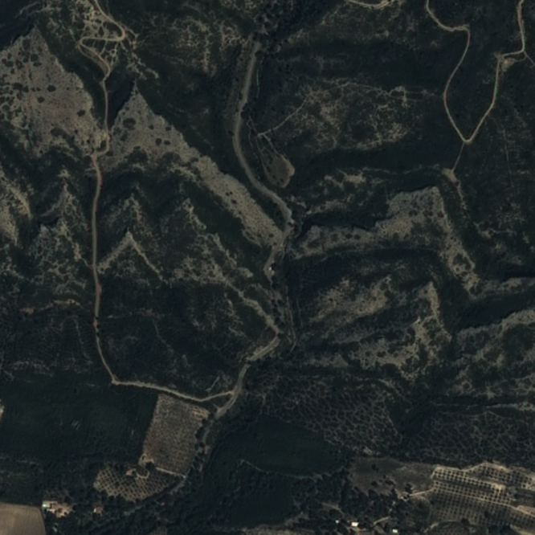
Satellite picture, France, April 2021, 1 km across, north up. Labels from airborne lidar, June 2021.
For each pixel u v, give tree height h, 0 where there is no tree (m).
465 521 10
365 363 0
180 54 0
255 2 0
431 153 0
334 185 0
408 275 0
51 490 6
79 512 15
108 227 0
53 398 6
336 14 0
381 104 0
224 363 6
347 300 0
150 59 0
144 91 0
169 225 0
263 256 0
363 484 0
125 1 0
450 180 0
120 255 0
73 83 0
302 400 7
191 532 9
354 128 0
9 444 6
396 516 10
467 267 0
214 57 0
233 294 0
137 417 6
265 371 13
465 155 0
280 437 6
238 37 0
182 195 0
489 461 9
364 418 6
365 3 0
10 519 0
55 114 0
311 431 6
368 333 0
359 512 12
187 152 0
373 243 0
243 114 7
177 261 0
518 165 0
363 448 6
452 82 0
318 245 0
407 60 0
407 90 0
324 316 0
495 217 0
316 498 7
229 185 0
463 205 0
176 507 8
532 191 0
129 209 0
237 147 0
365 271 0
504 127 0
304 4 15
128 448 5
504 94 0
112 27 0
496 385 0
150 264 0
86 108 0
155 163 0
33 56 0
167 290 7
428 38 0
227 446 6
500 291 0
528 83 0
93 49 0
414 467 0
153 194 0
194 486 12
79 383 6
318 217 5
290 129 0
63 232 0
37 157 0
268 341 0
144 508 6
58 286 0
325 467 7
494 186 0
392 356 0
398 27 0
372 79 0
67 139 0
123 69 0
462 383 0
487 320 0
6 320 7
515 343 0
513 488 0
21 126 0
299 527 11
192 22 0
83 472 7
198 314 0
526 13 9
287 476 6
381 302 0
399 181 0
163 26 0
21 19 0
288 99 0
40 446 6
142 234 0
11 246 0
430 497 0
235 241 0
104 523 12
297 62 0
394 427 8
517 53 0
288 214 0
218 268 0
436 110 0
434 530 0
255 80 0
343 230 0
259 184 0
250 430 6
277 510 6
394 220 0
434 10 0
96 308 0
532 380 0
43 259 0
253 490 11
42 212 0
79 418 7
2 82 0
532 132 0
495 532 10
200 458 10
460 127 0
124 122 0
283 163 0
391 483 9
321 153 0
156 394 8
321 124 0
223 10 0
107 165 0
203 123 0
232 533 7
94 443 9
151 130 0
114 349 0
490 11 0
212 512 7
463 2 7
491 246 0
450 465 6
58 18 0
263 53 8
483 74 0
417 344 0
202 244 0
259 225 0
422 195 0
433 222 0
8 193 0
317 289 6
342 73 0
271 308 0
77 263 0
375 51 0
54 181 0
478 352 0
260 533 0
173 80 0
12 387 6
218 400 0
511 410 0
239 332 0
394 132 0
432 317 0
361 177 0
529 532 0
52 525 15
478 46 0
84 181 0
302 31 0
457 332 0
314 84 0
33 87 0
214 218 0
